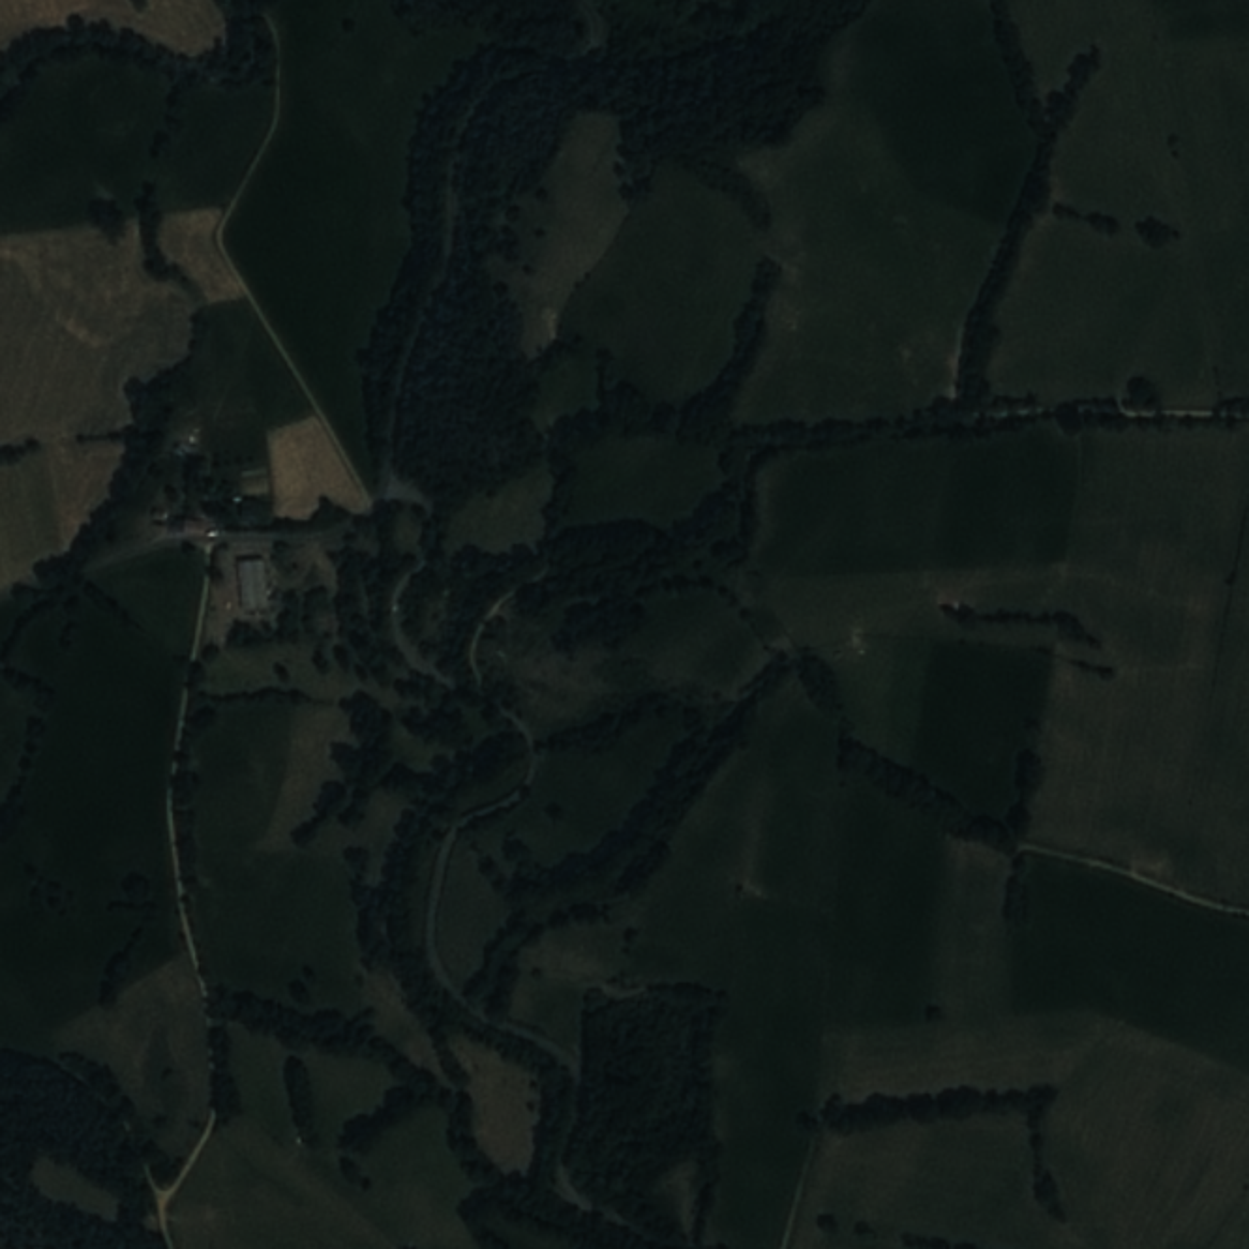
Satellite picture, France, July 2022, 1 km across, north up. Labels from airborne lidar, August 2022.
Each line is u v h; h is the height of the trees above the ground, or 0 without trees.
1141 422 10
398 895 16
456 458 11
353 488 0
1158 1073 0
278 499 0
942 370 0
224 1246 0
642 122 15
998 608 0
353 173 0
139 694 0
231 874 0
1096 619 0
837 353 0
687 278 0
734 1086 0
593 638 15
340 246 0
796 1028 0
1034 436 0
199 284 0
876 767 22
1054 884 0
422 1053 0
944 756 0
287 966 0
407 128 0
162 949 0
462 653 9
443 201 15
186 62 12
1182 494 0
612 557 20
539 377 9
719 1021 14
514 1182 14
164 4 0
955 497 0
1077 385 0
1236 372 0
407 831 14
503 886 16
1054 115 15
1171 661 0
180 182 0
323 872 0
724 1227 0
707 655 0
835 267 0
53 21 0
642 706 14
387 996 0
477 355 13
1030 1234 0
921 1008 0
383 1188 0
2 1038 0
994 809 0
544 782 0
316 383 0
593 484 0
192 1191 0
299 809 0
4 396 0
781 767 0
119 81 0
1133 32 0
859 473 0
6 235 0
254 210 0
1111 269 0
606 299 0
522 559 20
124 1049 0
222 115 0
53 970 0
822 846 0
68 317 0
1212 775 0
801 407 0
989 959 0
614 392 13
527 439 11
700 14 19
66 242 0
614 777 0
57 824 0
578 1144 12
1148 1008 0
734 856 0
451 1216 0
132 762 0
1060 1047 0
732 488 10
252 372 0
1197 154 0
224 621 0
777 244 0
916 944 0
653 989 8
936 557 0
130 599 0
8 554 0
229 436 0
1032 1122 11
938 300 0
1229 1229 0
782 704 0
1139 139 0
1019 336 0
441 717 25
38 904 7
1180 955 0
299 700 13
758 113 9
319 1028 17
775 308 0
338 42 0
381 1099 0
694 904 0
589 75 26
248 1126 0
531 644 0
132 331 0
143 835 0
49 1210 24
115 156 0
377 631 14
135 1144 10
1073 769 0
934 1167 0
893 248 0
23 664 0
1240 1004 0
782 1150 0
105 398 0
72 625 8
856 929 0
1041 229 0
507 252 12
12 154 0
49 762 0
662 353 0
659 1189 0
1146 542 0
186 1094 0
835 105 0
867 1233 14
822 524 0
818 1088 0
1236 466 0
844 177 0
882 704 0
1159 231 16
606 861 21
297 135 0
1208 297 0
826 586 0
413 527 0
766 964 0
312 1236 0
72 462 0
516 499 0
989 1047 0
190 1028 0
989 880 0
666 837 6
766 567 0
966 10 0
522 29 21
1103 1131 0
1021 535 0
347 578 10
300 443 0
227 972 0
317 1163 0
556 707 0
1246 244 0
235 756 0
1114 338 0
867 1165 0
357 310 0
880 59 0
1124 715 0
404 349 11
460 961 0
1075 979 0
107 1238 22
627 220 0
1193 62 0
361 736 14
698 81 16
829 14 17
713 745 8
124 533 0
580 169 0
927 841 0
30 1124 24
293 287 0
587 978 0
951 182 0
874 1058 0
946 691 0
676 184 0
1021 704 0
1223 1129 0
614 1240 19
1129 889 0
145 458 16
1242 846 0
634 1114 15
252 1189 0
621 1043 12
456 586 9
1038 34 0
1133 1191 0
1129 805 0
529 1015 0
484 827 9
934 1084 0
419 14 11
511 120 19
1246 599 0
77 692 0
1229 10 0
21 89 7
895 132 0
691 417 14
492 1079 0
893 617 0
